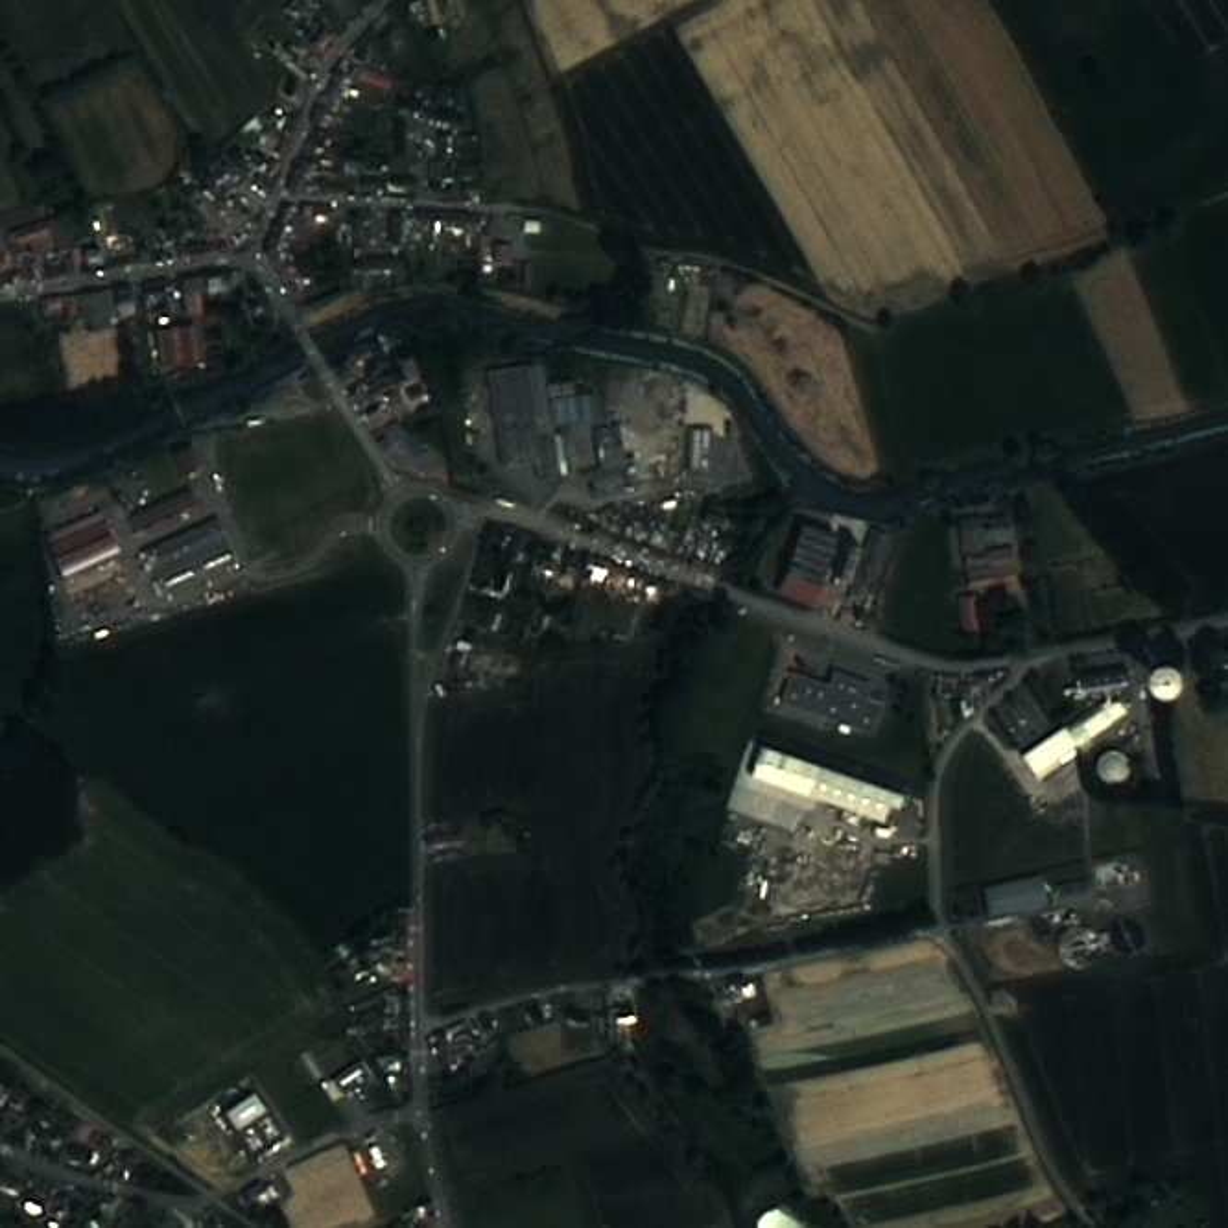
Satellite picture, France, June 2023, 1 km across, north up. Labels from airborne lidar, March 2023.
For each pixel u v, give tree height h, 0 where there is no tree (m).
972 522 0
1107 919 0
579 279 0
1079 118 0
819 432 0
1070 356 0
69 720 0
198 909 0
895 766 0
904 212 0
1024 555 10
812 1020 0
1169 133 0
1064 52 0
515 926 0
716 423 0
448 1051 0
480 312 0
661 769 8
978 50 0
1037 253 0
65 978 0
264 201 0
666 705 26
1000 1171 0
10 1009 0
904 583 0
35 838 31
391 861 0
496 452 0
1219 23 0
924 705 0
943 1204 0
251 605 0
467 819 0
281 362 0
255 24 0
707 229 0
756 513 16
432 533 0
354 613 0
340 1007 0
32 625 0
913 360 0
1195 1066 0
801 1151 0
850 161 0
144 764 0
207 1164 0
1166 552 0
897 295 0
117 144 0
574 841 0
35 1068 0
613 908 0
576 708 0
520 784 0
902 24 0
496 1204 0
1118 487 0
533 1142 0
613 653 0
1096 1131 0
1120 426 0
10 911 0
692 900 0
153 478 0
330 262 11
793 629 0
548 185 0
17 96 0
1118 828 0
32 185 0
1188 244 0
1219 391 0
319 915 0
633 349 0
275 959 0
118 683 0
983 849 0
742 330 0
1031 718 0
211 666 0
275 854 0
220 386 0
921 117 0
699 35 0
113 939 0
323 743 0
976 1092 0
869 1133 0
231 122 0
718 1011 0
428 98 0
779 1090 0
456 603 0
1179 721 0
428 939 0
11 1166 0
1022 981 0
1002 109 0
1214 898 0
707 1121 0
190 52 0
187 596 0
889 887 0
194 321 0
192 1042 0
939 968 0
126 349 9
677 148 0
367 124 0
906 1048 0
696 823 0
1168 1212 0
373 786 0
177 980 0
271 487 0
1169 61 0
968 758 0
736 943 0
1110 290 0
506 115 0
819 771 0
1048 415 0
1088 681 0
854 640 0
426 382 12
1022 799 0
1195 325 0
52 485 6
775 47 0
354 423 0
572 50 0
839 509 0
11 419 26
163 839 0
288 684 0
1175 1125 0
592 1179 0
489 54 0
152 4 0
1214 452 0
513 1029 0
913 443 0
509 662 0
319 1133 0
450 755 0
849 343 0
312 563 0
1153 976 0
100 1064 0
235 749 0
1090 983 0
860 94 0
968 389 0
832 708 0
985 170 0
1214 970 0
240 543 0
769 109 0
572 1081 0
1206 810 0
